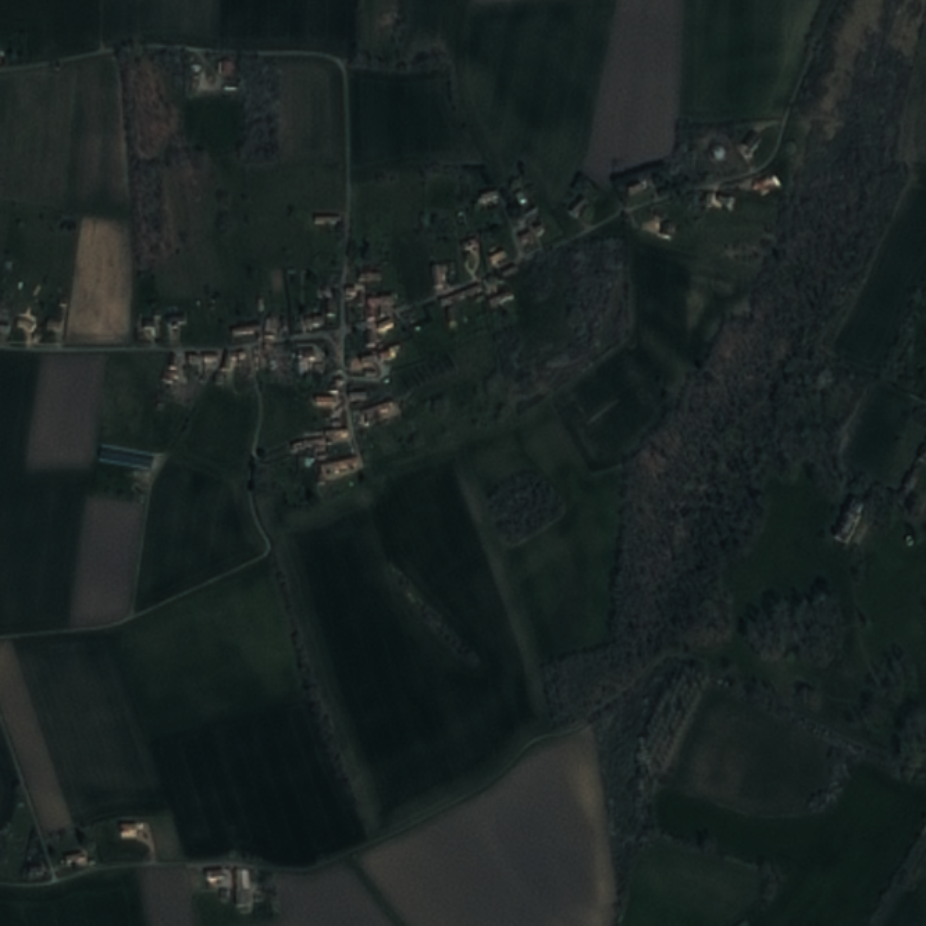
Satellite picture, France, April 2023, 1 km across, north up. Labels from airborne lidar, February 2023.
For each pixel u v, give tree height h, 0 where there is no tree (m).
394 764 0
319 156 0
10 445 0
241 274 0
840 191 12
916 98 0
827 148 7
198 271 0
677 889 0
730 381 21
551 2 0
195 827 0
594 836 0
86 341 0
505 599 0
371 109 0
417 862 0
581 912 0
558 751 0
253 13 0
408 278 0
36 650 0
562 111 0
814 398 18
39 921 0
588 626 0
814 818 0
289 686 0
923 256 0
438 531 0
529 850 0
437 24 0
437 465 0
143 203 9
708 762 0
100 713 0
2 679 0
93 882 0
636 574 13
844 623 28
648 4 0
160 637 0
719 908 0
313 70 0
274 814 0
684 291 0
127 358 0
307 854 0
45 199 0
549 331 0
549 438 0
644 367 0
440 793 0
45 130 0
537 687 0
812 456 26
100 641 0
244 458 0
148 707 0
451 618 0
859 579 16
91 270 0
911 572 0
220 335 0
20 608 0
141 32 0
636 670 24
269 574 0
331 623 0
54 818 0
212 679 0
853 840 0
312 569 0
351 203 0
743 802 0
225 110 0
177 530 0
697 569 19
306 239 0
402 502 0
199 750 0
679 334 0
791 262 20
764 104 0
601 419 0
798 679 0
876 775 0
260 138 9
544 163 0
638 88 0
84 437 0
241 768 0
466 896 0
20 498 0
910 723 24
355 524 0
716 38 0
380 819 0
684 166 8
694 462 19
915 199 0
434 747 0
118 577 0
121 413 0
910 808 0
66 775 0
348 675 0
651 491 13
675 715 29
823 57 6
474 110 0
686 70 0
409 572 0
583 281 10
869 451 0
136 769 0
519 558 0
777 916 0
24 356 0
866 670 0
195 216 0
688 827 0
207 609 0
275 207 0
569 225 0
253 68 10
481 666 0
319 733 9
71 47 0
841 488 21
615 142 0
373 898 0
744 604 0
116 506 0
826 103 0
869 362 0
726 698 0
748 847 0
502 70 0
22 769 0
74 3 0
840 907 0
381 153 0
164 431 0
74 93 0
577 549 0
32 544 0
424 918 0
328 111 0
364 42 0
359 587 0
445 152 0
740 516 28
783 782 0
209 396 0
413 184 0
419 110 0
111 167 0
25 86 0
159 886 0
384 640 0
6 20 0
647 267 0
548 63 0
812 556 0
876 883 0
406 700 0
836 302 16
